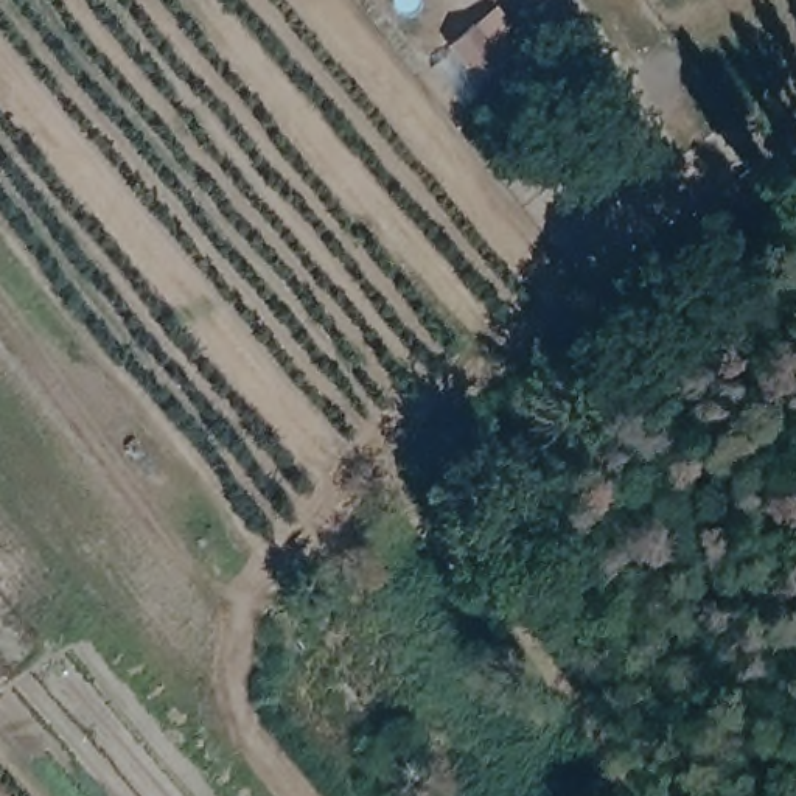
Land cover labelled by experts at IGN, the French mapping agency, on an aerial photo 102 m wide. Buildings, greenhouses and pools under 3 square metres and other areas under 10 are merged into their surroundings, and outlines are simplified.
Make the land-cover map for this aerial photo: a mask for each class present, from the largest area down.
<instances>
[{"label":"deciduous trees","instance_id":"1","mask_svg":"<svg viewBox=\"0 0 796 796\"><path fill-rule=\"evenodd\" d=\"M68 75L96 103V109L121 127L134 149L183 202V208L205 233V239L258 292V299L292 333V339L305 348L311 364L333 379V386L348 398V404L361 417H367L361 398L351 389V382H361L379 407L386 395L370 379L361 354L351 345L345 333L336 326V320L320 308L314 292L230 205L215 177L187 155L183 146L193 140L221 165V171L243 193V199L280 233V239L302 261V267L317 280L323 292H330V299L345 311V317L361 330L364 339L373 348L382 370L392 376L401 401L417 398L414 382L420 376L407 370L401 361L392 358L376 330L354 308V302L323 274V267L299 243V236L252 190L243 171L218 149L208 131L199 124L196 112L180 103L174 90L159 72V65L124 31L118 16L100 0H84L87 9L100 19V25L109 28L121 50L140 65L149 84L174 109L177 121L165 124L146 106V100L127 84V78L109 62V56L84 34V28L75 22L62 0H47L62 19V28L75 37V44L103 68V75L121 90V96L131 100L140 118H146L155 127V134L165 140L171 155L215 199L218 211L236 227V233H243L249 246L274 267V274L295 292L311 320L333 339V358H326L314 345V339L305 333L295 314L274 295V289L255 274V267L218 233L202 205L187 193V187L177 177L152 149V143L134 127L124 109H118L106 96V90L87 72H81V65L50 31L40 12L31 9L28 0H12ZM143 28L149 44L159 47L174 75L187 84L218 115L224 131L249 155L252 168L264 177V183L274 187L317 233L326 252L345 267V274L358 283V289L370 299L376 314L389 323V330L404 342L410 354L426 364L432 351L401 323L386 295L367 280L358 261L342 249V243L330 230L308 208L302 193L292 190L280 171L267 165L252 137L227 109V103H221L215 90L174 53L168 37L152 25V19L143 12L137 0H118ZM162 6L193 40L202 59L246 103V109L255 115L274 149L317 193V199L339 221V227L348 230L367 249L373 264L395 283V289L404 295L420 323L442 342V358L454 364L457 351V333L448 323V317L438 314L435 299H426L423 289L401 271V264L376 239V233L342 208L333 190L323 183V177L277 127V118L267 112L261 96L246 87V81L230 68V62L211 47L199 19L183 9L180 0H162ZM224 12L236 16L246 25V31L280 65V72L295 84V90L305 93V100L323 115L333 134L361 159V165L389 193V199L420 227V233L435 246V252L454 267L460 283L485 305L488 323L507 320L519 308L513 302L498 299L494 286L460 255L451 236L420 208V202H414V196L386 171L379 155L342 115V109L289 56L283 40L264 25V19L246 0H218ZM271 6L283 16L292 34L336 78V84L370 118V124L392 146V152L420 177L429 196L445 208V215L485 258V264L494 274H501V280L516 292L519 302H525V280L519 267H510L485 243L476 224L448 196L442 180L414 155L404 137L379 112V106L345 72L342 62L333 59V53L305 25V19L292 9L289 0H271ZM454 124H460L463 137L488 162L498 180L547 187L553 199L563 202L566 211L594 208L622 183H644L662 174L678 146L662 137L659 124H647L641 118V106L631 78L613 65V59L600 50L597 19L591 12H578L575 0H516L504 9V31L488 40L482 68H470L457 90L451 115ZM0 34L25 59L34 78L50 90L59 109L78 124V131L118 171V177L140 199V205L171 233V239L183 249L196 271L205 274L215 292L267 348V354L277 361L286 379L308 398L311 407H317L326 417V423L342 438L354 432L345 414L308 382V376L283 351V345L261 323V317L243 302V295L233 286H227V280L196 249V243L187 236V230L168 211V205L159 202L155 190L143 183V177L115 152L112 140L90 124V118L72 103V96H65L59 81L0 9ZM0 131L19 146V152L44 177V183L65 205V211L75 215V221L96 239V246L124 274V280L134 286V292L143 299V305L152 311V317L162 323L171 342L196 364V370L211 382V389L230 401L246 432L271 454L277 470L302 494L311 491L308 473L295 466L292 454L283 448L271 423L261 420V414L202 354L190 330L177 320L174 311L131 264L121 246L106 233L100 218L90 215L75 199V193L59 180L40 146L31 140V134L12 121L9 112L0 109ZM0 168L40 215V221L65 249L78 274L112 302L127 333L165 367L168 376L180 382V389L199 410V417H190L177 404V398L127 351V345H121L109 333V326L72 289L50 249L40 243L28 218L12 205V199L0 187V239H6L16 230L25 249L37 258L44 277L50 280L62 305L190 438V445L215 470L230 507L255 535H261L271 529V522L255 507V501L236 485L233 473L221 460V451L208 445L211 432L233 451L249 479L267 494V501L283 519H292L295 513L292 504L283 494V488L246 451L233 426L205 401V395L190 382V376L143 330L137 314L121 299V292L112 286V280L81 252L68 227L59 224L44 196L28 183V177L12 165L6 149L0 146ZM771 205L780 227L765 258L746 249V236L731 224L728 215H709L703 218V243L684 246L675 264H662L659 255H647L644 271L625 267L622 277H616V302L622 305V311H616L597 336L575 339V345L569 348L572 370L578 376L572 389L563 386V379L550 370V358L544 351L532 354V376H519V367H507L504 376H488L485 389L479 395H470V404L476 417L485 423V429L498 432V410H513L519 417L535 420V429L544 432V445L516 451L513 457L476 451L473 460L454 463L435 488L417 491L410 498L417 504L420 525L426 532V550L420 553L435 563L442 585L463 597L460 609L466 616L504 622L513 631L529 628L544 644V653L557 662V669L575 665L594 672L603 659H609L616 678H625L644 672L650 659H656V653L669 647V637L690 641L697 634L693 613L703 594L709 591H718L724 597H734L740 591L771 597L796 594V351L777 361L774 376L759 379L765 389L762 404L743 410V420L718 442V448L706 438L693 448V454H687L681 445L669 442V429L681 414L684 398L703 395L709 389L712 373L706 370V361H721L724 376H740L746 370L740 351L749 339V323L777 308L780 299H787L796 289V190L765 187L759 193ZM734 504H740V510L749 513V525L740 529L737 547H728L721 541V532H703V538H697V525L721 519ZM283 628L271 622V616L264 613L255 619L252 669L246 678V693L252 703L258 693L271 697L277 675H283ZM746 650H762L765 662H752L740 675L734 693L728 697V709L715 706L709 712L715 724H709L706 734L697 740L690 752V771L681 784L690 796H756L749 771V759L756 756L771 762L765 796H796V625L790 619L749 622ZM466 690L476 693V700L498 706L501 715H516L535 728H560L563 715L572 709L563 700H553V687L544 684L541 675L525 669V650L516 641L507 650V656H494L491 650H485V656L473 659ZM299 697H283L280 706L261 709L258 715L261 728L277 740V746L292 759V765L311 780V787L320 796H401L407 765H432L429 734L414 721V715L386 721L379 734L370 737H351L336 731L333 737H317L292 724L289 718ZM672 771L669 752L662 746L656 749L653 762H644L641 740H634L628 752L606 762L603 774L591 787V796H669Z\"/></svg>","mask_w":796,"mask_h":796},{"label":"herbaceous vegetation","instance_id":"2","mask_svg":"<svg viewBox=\"0 0 796 796\"><path fill-rule=\"evenodd\" d=\"M0 9L59 81L68 75L12 0H0ZM31 9L40 12L50 31L81 65V72H87L106 90V96L118 109H124L134 127L152 143V149L177 177L187 171L171 155L165 140L155 134V127L146 118H140L131 100L121 96V90L103 75V68L75 44V37L62 28V19L47 0H28ZM118 16L124 31L159 65V72L174 90L187 84L174 75L159 47L149 44L143 28L118 0H100ZM516 0H348L361 25L376 37V44L389 53L398 72L417 87L426 106L442 118L451 115L457 90L432 65H438L451 53V44L463 37L473 25H479L488 12L504 9ZM578 12H591L597 19L600 50L613 59L616 47H650L656 53L678 50L681 84L687 96L672 109L641 106V118L647 124H659L662 137L678 146L662 174L644 183H622L594 208L566 211L563 202L553 199L544 215V230L535 239L529 261H522L519 267L525 280V302H519V308L507 320L488 323L482 333H476L448 317V323L457 333V351L454 364L442 358V342L420 323L404 295L395 289V283L373 264L367 249L348 230L339 227L330 230L342 243V249L358 261L367 280L386 295L401 323L432 351L426 364L410 354L401 361L407 370L420 376L414 382L417 398L401 401L392 376L382 370L373 348L364 339L351 345L361 354L370 379L386 395L379 407L401 410L398 417L379 420V432L386 438L373 451H354L342 457L339 470V491L354 507V513L348 519L336 516V532H323L311 513H295L292 519H283L267 501V494L249 479L233 451L211 432L208 445L221 451V460L233 473L236 485L255 501V507L271 522V529L261 535L267 547V572L277 581V591L292 597L299 575L317 572L323 563L364 547V532L379 522L382 513L398 510L407 519V525H420L417 504L410 498L417 491L435 488L454 463L473 460L476 451L513 457L516 451L544 445V432L535 429V420L519 417L513 410H498V432L485 429V423L476 417L470 404V395H479L485 389L488 376H504L507 367H519V376H532V354L544 351L550 358V370L563 379V386L572 389L578 376L572 370L569 348L575 345V339L597 336L616 311H622V305L616 302V277H622L625 267L644 271L647 255H659L662 264H675L684 246L703 243V218L709 215H728L731 224L746 236V249L765 258L780 227L771 205L759 193L765 187L796 190V0H575ZM0 146L6 149L12 165L28 177V183L44 196L59 224L68 227L81 252L112 280V286L121 292V299L137 314L143 330L190 376V382L205 395V401L233 426L246 451L283 488V494L292 504L302 494L277 470L271 454L246 432L230 401L211 389V382L196 370V364L171 342L162 323L152 317V311L143 305V299L134 292V286L124 280V274L96 246V239L75 221V215L65 211V205L44 183V177L19 152V146L0 131ZM0 187L12 199V205L28 218L40 243L50 249L72 289L109 326V333L121 345H127V351L177 398V404L190 417H199V410L180 389V382L168 376L165 367L127 333L112 302L78 274L65 249L40 221V215L0 168ZM796 351V289L787 299H780L777 308L749 323V339L740 351L746 370L740 376H724L721 361H706V370L712 373L709 389L703 395L684 398L681 414L669 429V442L681 445L687 454H693V448L706 438L718 448V442L743 420V410L762 404L765 389L759 379L774 376L777 361ZM177 320L190 330L196 320L215 314L211 305L205 299H196L187 308L174 311ZM749 525V513L740 510V504H734L721 519L697 525V538H703V532H721V541L728 547H737L740 529ZM697 634L690 641L669 637V647L656 653V659H650L644 672L625 678H616L609 659H603L594 672L575 665L557 669V662L544 653V644L529 628L513 631L516 641L525 650V669L541 675L544 684L553 687V700H563L572 709L578 718L597 721V740L606 762L628 752L634 740H641L644 762H653L656 749L662 746L669 752L672 771L669 796H690L681 784L690 771V752L697 740L706 734L709 724H715L709 712L715 706L728 709V697L734 693L740 675L752 662H765L762 650H746L749 622L790 619L796 625V594L771 597L740 591L734 597H724L718 591H709L703 594L693 613ZM749 771L756 796H765L771 762L756 756L749 759Z\"/></svg>","mask_w":796,"mask_h":796},{"label":"agricultural land","instance_id":"3","mask_svg":"<svg viewBox=\"0 0 796 796\"><path fill-rule=\"evenodd\" d=\"M277 591V581L267 572V547L261 535H255L230 507L215 470L190 445V438L62 305L50 280L44 277L37 258L25 249L16 230L6 239H0V796H320L311 787V780L292 765V759L277 746V740L261 728L258 715L252 703L246 693V678L252 669L255 619L264 613Z\"/></svg>","mask_w":796,"mask_h":796},{"label":"plowed land","instance_id":"4","mask_svg":"<svg viewBox=\"0 0 796 796\"><path fill-rule=\"evenodd\" d=\"M75 22L84 28V34L109 56V62L127 78V84L146 100V106L165 124L177 121L174 109L149 84L140 65L121 50L109 28L100 25V19L87 9L84 0H62ZM143 12L152 19V25L168 37L174 53L215 90L221 103H227V109L252 137L267 165L280 171L292 190L302 193L308 208L330 230L339 227V221L317 199V193L274 149L255 115L246 109V103L202 59L193 40L162 6V0H137ZM183 9L199 19L211 47L230 62V68L246 81V87L261 96L267 112L277 118V127L323 177V183L333 190L342 208L376 233V239L401 264V271L423 289L426 299H435L438 314L448 317L476 333H482L488 323L485 305L460 283L454 267L435 252V246L420 233V227L389 199V193L361 165V159L333 134L323 115L305 100V93L295 90V84L280 72V65L246 31V25L236 16L224 12L218 0H180ZM264 19V25L283 40L289 56L342 109V115L379 155L386 171L414 196V202H420V208L451 236L460 255L494 286L498 299L513 302L519 308V302L516 292L501 280V274H494L485 264V258L445 215V208L429 196L420 177L392 152V146L370 124V118L336 84V78L292 34L283 16L271 6V0H246ZM292 9L305 19V25L333 53V59L342 62L345 72L379 106V112L404 137L414 155L442 180L448 196L476 224L485 243L510 267H519L522 261H529L535 239L544 230V215L553 199L547 187L498 180L488 162L463 137L460 124H454L451 115L442 118L426 106L417 87L398 72L389 53L376 44V37L361 25L348 0H289ZM65 96H72V103L90 118V124L112 140L115 152L143 177V183L155 190L159 202L168 205V211L187 230V236L196 243V249L227 280V286H233L243 295V302L261 317V323L283 345V351L308 376V382L345 414L354 432L342 438L326 423V417L317 407H311L308 398L286 379L277 361L267 354V348L215 292L205 274L196 271L183 249L171 239V233L140 205V199L118 177V171L78 131V124L59 109L50 90L34 78L25 59L0 34V109L9 112L12 121L31 134V140L40 146L59 180L75 193V199L90 215L100 218L106 233L121 246L131 264L174 311L187 308L196 299H205L211 305L215 314L196 320L190 330L202 354L261 414V420L271 423L283 448L292 454L295 466L308 473L311 491L302 494L292 504L295 513H311L323 532H336V516L348 519L354 513V507L339 491V470L342 457L354 451H373L386 438L379 432V420L398 417L401 410L379 407L361 382H351V389L361 398L367 417H361L348 404V398L333 386V379L311 364L305 348L292 339V333L258 299V292L205 239V233L183 208V202L134 149L121 127L96 109V103L68 75L59 81ZM180 103L196 112L199 124L208 131L218 149L243 171L252 190L299 236V243L323 267V274L354 302V308L376 330L392 358L401 361L410 354L404 342L389 330V323L376 314L370 299L358 289V283L345 274V267L326 252L317 233L274 187L264 183V177L252 168L249 155L224 131L218 115L187 84L174 90ZM187 155L215 177L230 205L314 292L320 308L336 320V326L345 333L351 345L364 339L361 330L345 317V311L330 299V292H323L317 280L302 267V261L280 239V233L243 199V193L221 171V165L193 140L183 146ZM187 187V193L202 205L218 233L255 267V274L274 289V295L295 314L305 333L314 339V345L326 358H333V339L311 320L295 292L274 274V267L249 246L243 233H236V227L218 211L215 199L187 171L177 177Z\"/></svg>","mask_w":796,"mask_h":796},{"label":"brushwood","instance_id":"5","mask_svg":"<svg viewBox=\"0 0 796 796\"><path fill-rule=\"evenodd\" d=\"M426 550V532L420 525H407V519L398 510L382 513L379 522L364 532V547L323 563L317 572L299 575L292 597L277 591L264 613L271 616V622L283 628V675H277L271 697L258 693L252 703L258 715L261 709L280 706L283 697H299L289 718L292 724L317 737H333L336 731L351 737H370L379 734L386 721L414 715V721L429 734L432 765H407L401 796H591V787L603 774L606 762L597 740V721L578 718L572 709L563 715L560 728H535L516 715H501L498 706L476 700V693L466 690L473 659L485 656V650H491L494 656H507V650L516 641L513 631L504 622L466 616L460 609L463 597L442 585L435 563L420 553Z\"/></svg>","mask_w":796,"mask_h":796},{"label":"impervious surface","instance_id":"6","mask_svg":"<svg viewBox=\"0 0 796 796\"><path fill-rule=\"evenodd\" d=\"M613 65L631 78L641 106L672 109L687 96L681 84L678 50L656 53L650 47H616L613 59Z\"/></svg>","mask_w":796,"mask_h":796},{"label":"building","instance_id":"7","mask_svg":"<svg viewBox=\"0 0 796 796\"><path fill-rule=\"evenodd\" d=\"M504 31V9L488 12L479 25H473L463 37L451 44V53L438 65H432L457 90L470 68H482L488 40Z\"/></svg>","mask_w":796,"mask_h":796}]
</instances>
